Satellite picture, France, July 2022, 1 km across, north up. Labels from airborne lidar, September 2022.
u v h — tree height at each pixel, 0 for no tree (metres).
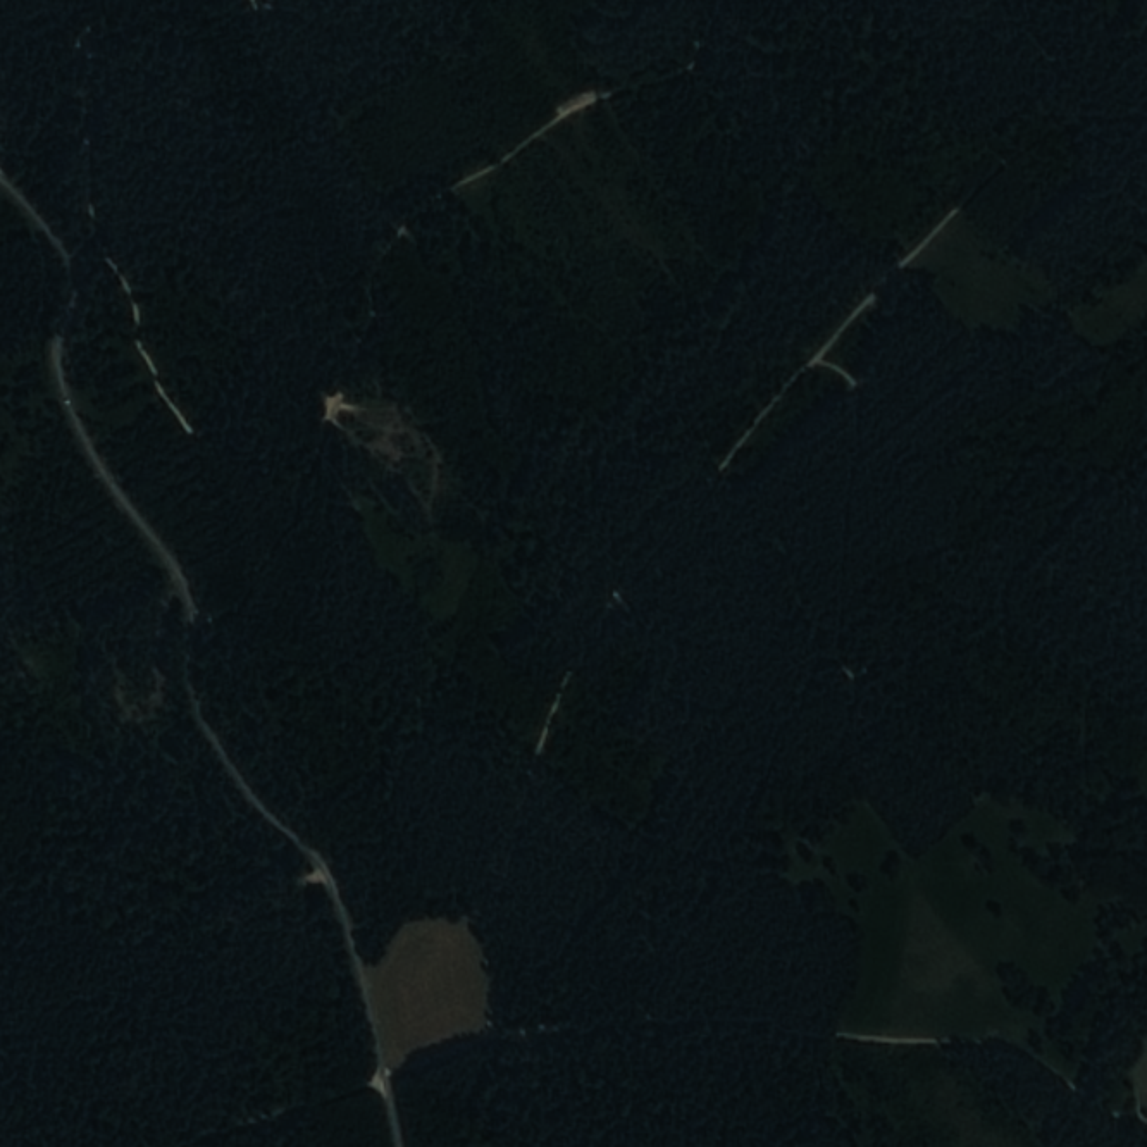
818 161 11
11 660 34
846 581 21
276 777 13
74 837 19
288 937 24
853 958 24
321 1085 17
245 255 25
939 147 18
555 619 28
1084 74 25
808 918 27
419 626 17
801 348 8
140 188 31
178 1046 30
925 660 15
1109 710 10
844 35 24
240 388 18
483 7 11
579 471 23
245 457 22
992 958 0
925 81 23
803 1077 23
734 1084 24
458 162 8
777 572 27
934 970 0
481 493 10
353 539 21
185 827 31
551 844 20
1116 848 27
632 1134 25
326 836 20
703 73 9
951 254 0
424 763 25
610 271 6
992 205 12
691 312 13
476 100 11
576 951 22
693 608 31
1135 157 28
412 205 17
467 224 7
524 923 23
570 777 9
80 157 31
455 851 27
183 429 9
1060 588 23
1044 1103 25
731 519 27
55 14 28
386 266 10
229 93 22
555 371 10
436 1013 0
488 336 11
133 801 7
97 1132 23
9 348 31
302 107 28
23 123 25
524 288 11
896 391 19
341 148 25
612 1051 30
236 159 25
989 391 21
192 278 10
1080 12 25
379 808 22
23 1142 23
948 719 10
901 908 0
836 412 25
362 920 18
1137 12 33
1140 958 6
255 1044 23
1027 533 19
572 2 10
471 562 0
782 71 18
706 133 9
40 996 25
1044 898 0
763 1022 32
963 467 26
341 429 11
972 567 16
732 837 24
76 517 11
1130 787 18
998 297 0
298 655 11
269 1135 21
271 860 30
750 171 7
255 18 31
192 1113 22
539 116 7
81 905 32
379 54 31
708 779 21
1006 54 27
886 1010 0
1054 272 30
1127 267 26
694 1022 30
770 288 30
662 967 24
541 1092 30
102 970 31
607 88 13
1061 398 15
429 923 0
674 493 27
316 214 22
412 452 8
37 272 24
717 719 26
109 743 31
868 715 18
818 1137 24
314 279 24
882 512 32
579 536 30
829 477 25
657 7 27
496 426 27
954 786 21
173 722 8
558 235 6
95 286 21
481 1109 18
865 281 30
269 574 16
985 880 0
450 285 8
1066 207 31
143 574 12
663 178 9
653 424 27
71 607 8
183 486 14
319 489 18
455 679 17
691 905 7
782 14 20
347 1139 7
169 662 32
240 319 21
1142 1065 0
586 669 26
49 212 21
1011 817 0
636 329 9
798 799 23
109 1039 29
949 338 20
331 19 32
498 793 28
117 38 32
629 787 7
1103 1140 23
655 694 25
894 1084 10
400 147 7
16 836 14
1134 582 25
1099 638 28
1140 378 9
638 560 20
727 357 24
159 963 28
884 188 13
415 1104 13
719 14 27
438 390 10
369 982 0
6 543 14
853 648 14
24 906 25
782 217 31
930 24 20
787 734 23
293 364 24
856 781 25
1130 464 14
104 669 33
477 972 0
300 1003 21
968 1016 0
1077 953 0
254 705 23
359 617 21
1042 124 10
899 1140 25
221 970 26
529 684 8
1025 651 10
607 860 18
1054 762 15
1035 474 17
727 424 11
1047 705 7
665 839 24
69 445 8
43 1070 32
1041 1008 20
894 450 29
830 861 12
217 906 29
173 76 36
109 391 12
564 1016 23
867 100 20
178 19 29
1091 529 27
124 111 33
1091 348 25
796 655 24
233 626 19
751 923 26
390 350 11
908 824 24
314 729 10
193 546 10
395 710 11
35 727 10
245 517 17
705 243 10
